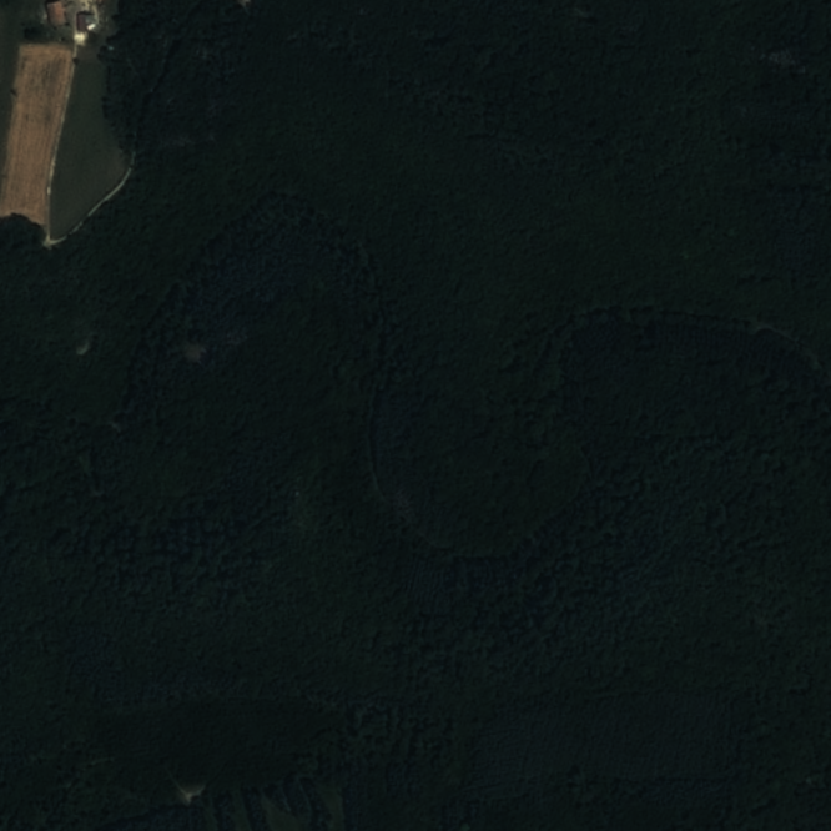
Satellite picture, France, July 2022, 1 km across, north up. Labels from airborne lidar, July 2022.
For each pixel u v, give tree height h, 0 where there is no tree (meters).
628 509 29
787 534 20
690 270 18
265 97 17
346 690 20
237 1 10
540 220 12
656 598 24
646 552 19
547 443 19
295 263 17
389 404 17
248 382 21
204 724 9
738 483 17
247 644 16
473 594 22
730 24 21
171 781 7
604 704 11
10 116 0
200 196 23
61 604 24
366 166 16
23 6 0
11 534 27
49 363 18
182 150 22
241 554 30
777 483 25
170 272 16
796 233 24
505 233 13
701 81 23
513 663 25
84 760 7
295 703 6
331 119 15
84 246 17
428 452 25
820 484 23
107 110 16
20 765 21
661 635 15
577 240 17
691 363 27
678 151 13
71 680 18
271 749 7
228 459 21
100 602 25
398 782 25
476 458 19
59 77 0
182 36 21
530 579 26
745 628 16
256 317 21
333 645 12
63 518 26
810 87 9
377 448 22
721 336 35
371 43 15
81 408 17
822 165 25
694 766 16
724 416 27
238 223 31
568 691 12
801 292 23
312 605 20
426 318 16
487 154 16
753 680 19
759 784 20
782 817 16
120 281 23
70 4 0
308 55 18
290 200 30
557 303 18
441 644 28
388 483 16
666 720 17
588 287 20
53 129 0
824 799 24
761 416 22
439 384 24
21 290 11
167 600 15
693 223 18
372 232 21
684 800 22
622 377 18
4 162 0
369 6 21
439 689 14
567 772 10
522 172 16
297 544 17
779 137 12
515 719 16
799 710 18
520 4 16
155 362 24
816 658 18
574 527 33
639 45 14
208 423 23
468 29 18
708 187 19
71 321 11
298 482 8
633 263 18
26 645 17
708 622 16
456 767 14
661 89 18
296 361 17
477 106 21
